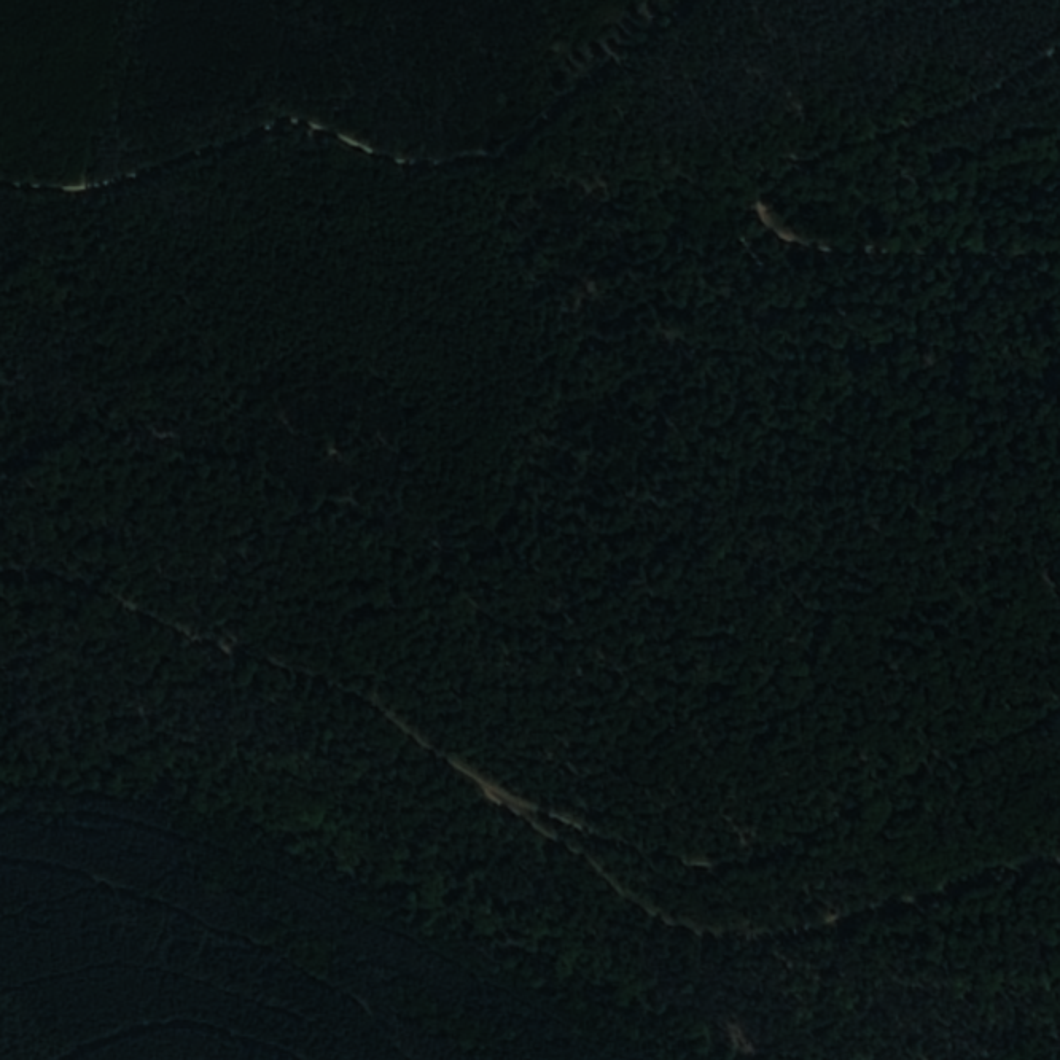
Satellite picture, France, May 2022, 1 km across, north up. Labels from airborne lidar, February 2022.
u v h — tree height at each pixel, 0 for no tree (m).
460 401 22
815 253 8
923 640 33
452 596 28
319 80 14
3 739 25
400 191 20
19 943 19
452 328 24
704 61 27
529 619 26
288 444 18
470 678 31
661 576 29
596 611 35
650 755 31
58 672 28
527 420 25
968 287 38
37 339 11
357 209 21
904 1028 27
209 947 24
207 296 24
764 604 32
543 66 6
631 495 32
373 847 36
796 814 39
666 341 36
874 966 30
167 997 17
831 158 28
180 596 29
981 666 29
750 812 34
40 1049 21
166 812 24
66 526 30
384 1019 33
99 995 20
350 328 21
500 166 20
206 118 12
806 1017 33
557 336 27
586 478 16
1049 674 30
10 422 12
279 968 21
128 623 29
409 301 19
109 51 10
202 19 17
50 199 9
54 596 36
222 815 23
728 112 25
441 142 14
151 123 15
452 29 17
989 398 38
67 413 9
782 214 37
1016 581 34
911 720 32
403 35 17
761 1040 29
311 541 27
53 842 24
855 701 35
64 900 21
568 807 36
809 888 29
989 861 30
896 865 29
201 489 28
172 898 21
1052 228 39
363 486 18
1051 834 28
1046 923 29
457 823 31
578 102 21
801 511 32
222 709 32
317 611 27
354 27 17
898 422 36
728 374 34
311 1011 28
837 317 36
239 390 15
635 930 32
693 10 23
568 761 31
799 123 23
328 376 13
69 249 16
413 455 23
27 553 32
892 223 37
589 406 15
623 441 13
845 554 31
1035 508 28
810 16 26
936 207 30
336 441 17
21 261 19
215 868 19
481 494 23
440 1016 22
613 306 17
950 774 30
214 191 17
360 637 28
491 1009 26
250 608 28
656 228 33
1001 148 34
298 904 19
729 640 36
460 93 14
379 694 34
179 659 28
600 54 28
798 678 36
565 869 31
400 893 19
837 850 28
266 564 27
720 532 29
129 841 24
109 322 22
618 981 31
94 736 29
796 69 27
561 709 31
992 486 32
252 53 17
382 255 21
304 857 20
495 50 16
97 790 21
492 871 33
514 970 21
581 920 36
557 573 29
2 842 22
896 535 30
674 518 29
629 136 22
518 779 32
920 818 26
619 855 31
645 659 36
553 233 26
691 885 27
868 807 37
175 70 16
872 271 35
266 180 18
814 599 34
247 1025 26
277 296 25
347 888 18
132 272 23
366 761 35
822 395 35
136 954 20
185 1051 20
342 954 19
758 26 24
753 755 35
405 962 21
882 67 29
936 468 22
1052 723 28
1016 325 38
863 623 35
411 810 28
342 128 13
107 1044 18
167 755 28
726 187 32
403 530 25
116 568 27
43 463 32
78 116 11
